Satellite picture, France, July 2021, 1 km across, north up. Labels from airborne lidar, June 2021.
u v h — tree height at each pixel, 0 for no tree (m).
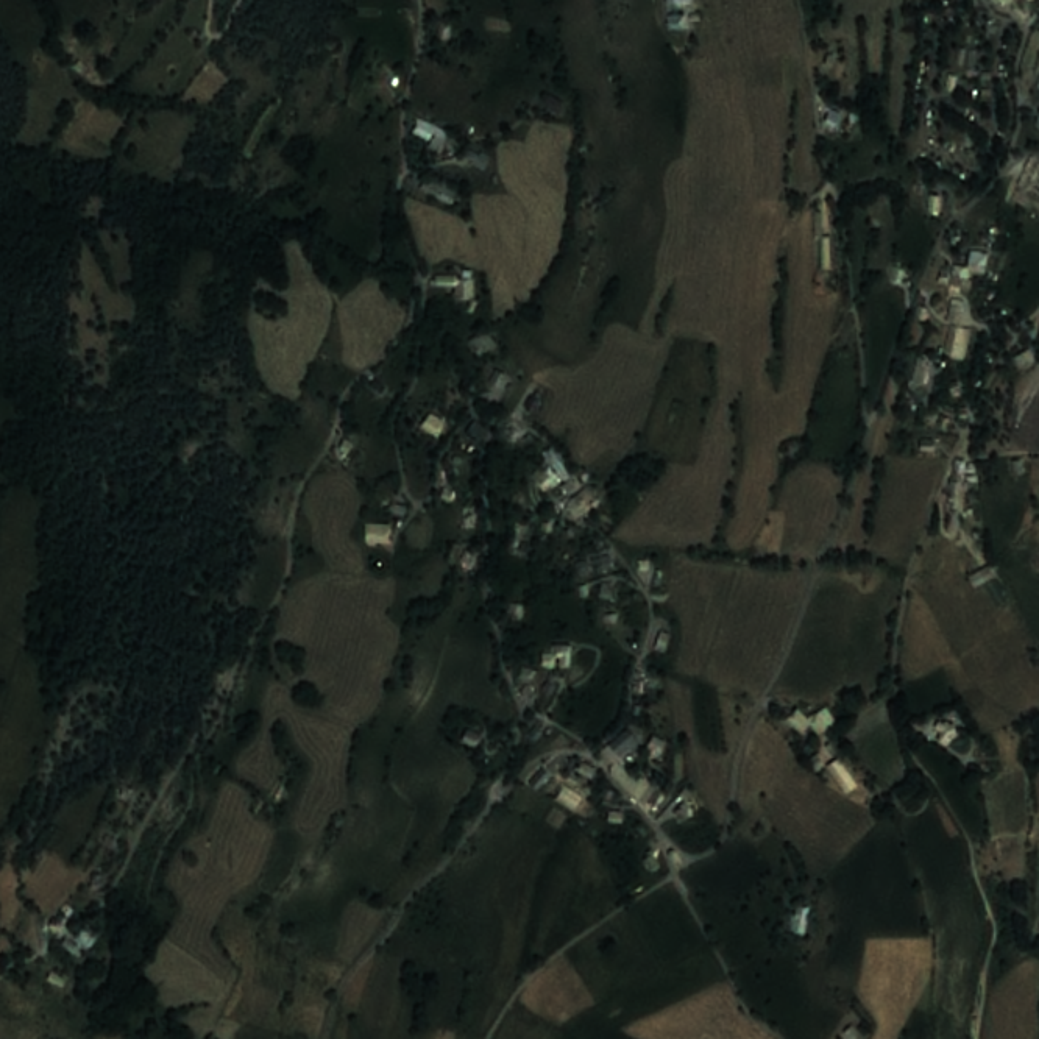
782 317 10
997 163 14
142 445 15
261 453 11
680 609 0
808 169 0
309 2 14
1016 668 0
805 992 0
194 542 14
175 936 0
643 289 0
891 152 7
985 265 0
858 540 0
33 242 18
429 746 0
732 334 0
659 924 0
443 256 0
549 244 0
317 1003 0
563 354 0
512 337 0
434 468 9
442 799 0
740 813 12
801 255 0
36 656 11
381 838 0
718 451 0
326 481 0
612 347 0
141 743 21
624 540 0
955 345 0
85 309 0
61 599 9
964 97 19
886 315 0
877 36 0
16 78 19
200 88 0
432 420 0
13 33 0
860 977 0
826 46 7
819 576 0
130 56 0
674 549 0
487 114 0
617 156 0
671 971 0
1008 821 0
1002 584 0
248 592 0
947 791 0
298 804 0
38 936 0
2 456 11
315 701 11
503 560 19
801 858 13
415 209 0
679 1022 0
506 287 0
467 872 0
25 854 9
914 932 0
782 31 0
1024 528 0
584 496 0
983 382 8
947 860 0
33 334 13
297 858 0
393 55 0
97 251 14
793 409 0
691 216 0
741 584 0
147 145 0
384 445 0
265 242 16
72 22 0
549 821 0
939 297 9
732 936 0
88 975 12
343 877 0
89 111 0
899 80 0
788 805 0
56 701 6
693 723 0
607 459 0
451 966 0
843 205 11
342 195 0
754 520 0
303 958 0
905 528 0
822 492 0
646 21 0
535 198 0
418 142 8
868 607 0
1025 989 0
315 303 0
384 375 0
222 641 19
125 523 14
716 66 0
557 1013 0
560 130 0
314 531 0
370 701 0
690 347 0
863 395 9
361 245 0
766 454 0
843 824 0
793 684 0
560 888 0
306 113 0
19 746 0
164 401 14
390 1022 0
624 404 0
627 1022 0
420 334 15
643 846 0
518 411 0
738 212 0
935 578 0
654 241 0
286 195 12
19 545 0
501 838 0
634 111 0
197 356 6
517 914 0
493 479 9
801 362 0
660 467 9
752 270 0
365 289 0
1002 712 0
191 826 8
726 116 0
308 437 0
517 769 12
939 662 0
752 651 0
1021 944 14
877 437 0
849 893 0
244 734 11
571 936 0
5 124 15
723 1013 0
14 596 0
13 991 0
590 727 0
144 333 7
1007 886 8
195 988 0
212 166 9
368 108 8
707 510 0
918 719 10
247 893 0
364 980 0
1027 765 9
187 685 12
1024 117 8
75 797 6
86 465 14
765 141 0
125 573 19
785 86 0
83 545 13
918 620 0
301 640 0
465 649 0
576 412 0
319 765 0
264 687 0
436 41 11
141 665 19
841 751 10
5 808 0
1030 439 0
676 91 0
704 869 0
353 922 0
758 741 0
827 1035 0
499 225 0
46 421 16
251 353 7
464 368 7
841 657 0
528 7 0
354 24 0
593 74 0
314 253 21
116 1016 17
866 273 9
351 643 0
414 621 10
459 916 0
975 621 0
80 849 7
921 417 8
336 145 0
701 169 0
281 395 8
